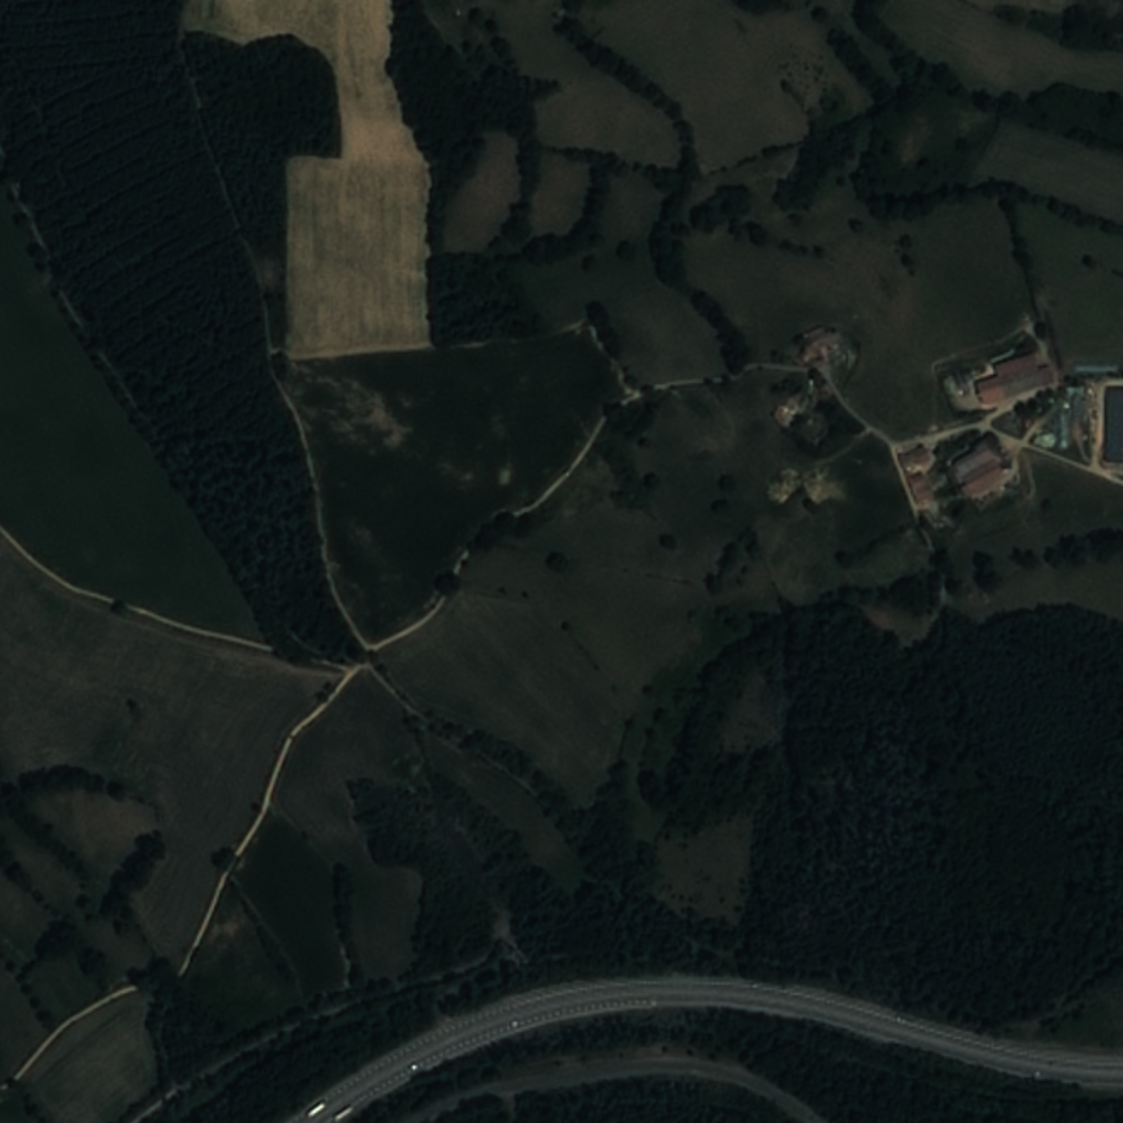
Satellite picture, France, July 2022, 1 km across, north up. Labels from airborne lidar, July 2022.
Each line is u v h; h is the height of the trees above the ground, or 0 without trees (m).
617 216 0
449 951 8
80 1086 0
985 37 0
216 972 0
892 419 0
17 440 0
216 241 10
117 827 0
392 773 0
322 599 18
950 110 0
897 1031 0
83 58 10
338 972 0
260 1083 16
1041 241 0
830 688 16
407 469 0
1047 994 21
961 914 17
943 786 24
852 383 0
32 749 0
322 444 0
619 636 0
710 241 0
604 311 16
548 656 0
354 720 0
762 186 0
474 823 6
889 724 21
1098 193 0
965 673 16
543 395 0
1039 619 11
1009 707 16
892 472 0
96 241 12
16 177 16
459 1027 0
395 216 0
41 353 0
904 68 20
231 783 0
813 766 25
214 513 27
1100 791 16
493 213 0
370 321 0
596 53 16
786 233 0
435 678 0
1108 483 0
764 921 13
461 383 0
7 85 11
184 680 0
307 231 0
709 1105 5
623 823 19
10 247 0
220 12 0
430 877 8
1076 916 15
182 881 0
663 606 0
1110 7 0
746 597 0
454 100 13
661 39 0
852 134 15
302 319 0
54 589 0
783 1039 15
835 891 17
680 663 0
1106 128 0
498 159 0
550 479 0
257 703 0
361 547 0
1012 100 18
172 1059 9
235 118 8
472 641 0
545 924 17
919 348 0
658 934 21
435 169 9
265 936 11
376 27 0
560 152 7
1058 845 12
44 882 0
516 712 0
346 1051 10
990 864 12
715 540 0
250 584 12
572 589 0
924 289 0
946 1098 6
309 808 0
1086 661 14
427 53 16
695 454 0
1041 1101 8
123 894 21
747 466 0
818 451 8
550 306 0
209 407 14
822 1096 23
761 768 13
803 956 21
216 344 11
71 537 0
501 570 0
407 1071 0
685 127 11
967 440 7
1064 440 0
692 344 0
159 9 12
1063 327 0
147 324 11
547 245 21
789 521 0
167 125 12
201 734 0
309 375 0
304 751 0
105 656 0
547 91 15
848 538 0
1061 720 14
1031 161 0
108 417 0
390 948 0
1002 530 0
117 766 0
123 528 0
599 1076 0
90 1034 0
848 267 0
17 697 0
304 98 15
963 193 20
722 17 0
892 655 11
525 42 0
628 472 7
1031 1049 0
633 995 0
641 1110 20
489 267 17
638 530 0
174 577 0
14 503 0
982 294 0
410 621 0
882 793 29
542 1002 0
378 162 0
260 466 28
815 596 0
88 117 11
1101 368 0
